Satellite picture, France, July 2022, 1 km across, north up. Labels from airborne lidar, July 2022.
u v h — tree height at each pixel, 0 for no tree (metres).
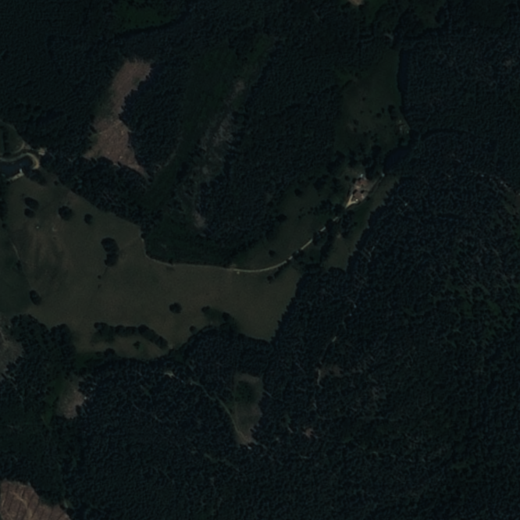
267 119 19
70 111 23
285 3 15
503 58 24
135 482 17
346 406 20
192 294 0
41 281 0
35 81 23
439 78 36
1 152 0
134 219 23
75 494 11
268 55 0
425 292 20
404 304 21
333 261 0
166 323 0
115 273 0
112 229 0
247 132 22
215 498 16
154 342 17
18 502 0
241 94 0
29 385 9
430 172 32
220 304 0
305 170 24
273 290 0
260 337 0
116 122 0
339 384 9
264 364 24
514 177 25
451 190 21
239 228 27
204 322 0
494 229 0
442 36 35
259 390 0
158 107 31
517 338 17
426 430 7
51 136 27
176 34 22
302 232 0
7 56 21
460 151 30
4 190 22
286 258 0
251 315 0
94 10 24
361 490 9
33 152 9
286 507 29
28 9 19
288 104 19
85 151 13
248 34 17
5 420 17
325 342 17
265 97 25
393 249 27
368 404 25
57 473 20
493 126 22
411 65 37
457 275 29
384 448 29
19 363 13
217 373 22
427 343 24
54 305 0
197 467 21
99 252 0
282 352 25
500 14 27
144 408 22
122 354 0
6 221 13
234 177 25
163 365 27
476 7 28
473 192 29
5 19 21
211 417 21
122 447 23
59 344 9
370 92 0
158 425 28
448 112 27
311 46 23
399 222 31
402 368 13
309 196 0
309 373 13
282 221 19
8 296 0
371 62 25
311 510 26
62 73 40
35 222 0
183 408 28
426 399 15
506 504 13
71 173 29
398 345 20
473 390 24
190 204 0
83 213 0
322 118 28
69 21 21
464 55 31
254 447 22
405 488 23
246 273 0
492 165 26
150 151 22
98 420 22
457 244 23
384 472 26
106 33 30
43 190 0
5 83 22
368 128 0
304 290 26
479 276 26
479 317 13
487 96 25
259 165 19
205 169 0
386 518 17
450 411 14
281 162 27
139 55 29
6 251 0
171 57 20
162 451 18
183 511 23
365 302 23
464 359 25
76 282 0
